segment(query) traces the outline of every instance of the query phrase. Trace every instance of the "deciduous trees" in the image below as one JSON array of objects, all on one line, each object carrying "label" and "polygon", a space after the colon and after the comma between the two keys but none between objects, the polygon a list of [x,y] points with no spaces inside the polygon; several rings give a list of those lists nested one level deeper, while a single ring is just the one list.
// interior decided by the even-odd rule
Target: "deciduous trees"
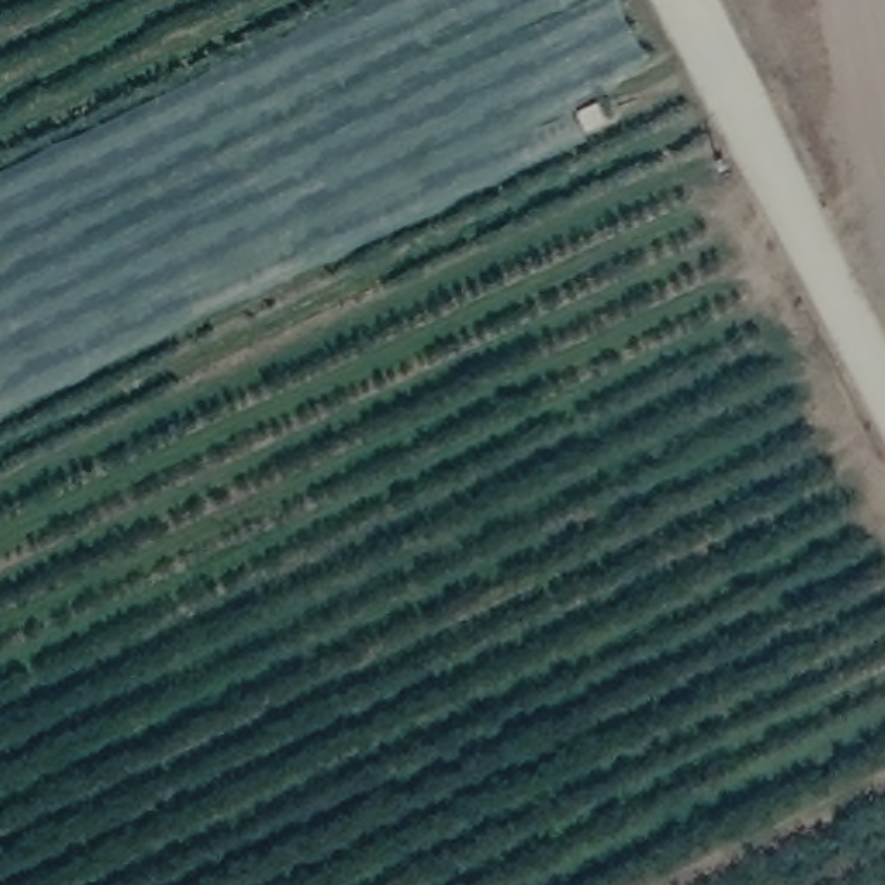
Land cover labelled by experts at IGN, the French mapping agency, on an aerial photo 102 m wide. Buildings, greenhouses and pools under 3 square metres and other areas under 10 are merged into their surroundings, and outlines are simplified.
[{"label": "deciduous trees", "polygon": [[0,398],[21,387],[28,377],[80,360],[100,346],[111,346],[128,332],[142,332],[159,318],[183,311],[239,280],[249,280],[270,266],[304,256],[318,242],[346,235],[373,218],[394,214],[429,197],[432,190],[453,183],[456,176],[487,169],[529,149],[536,138],[529,128],[536,121],[529,111],[536,104],[532,97],[515,97],[512,83],[529,80],[557,66],[560,59],[588,52],[633,28],[636,17],[622,14],[619,0],[0,0]]},{"label": "deciduous trees", "polygon": [[743,844],[743,857],[723,864],[702,885],[885,885],[885,788],[847,799],[844,805],[837,805],[830,823],[816,823],[795,833],[774,833],[767,837],[767,844]]},{"label": "deciduous trees", "polygon": [[684,864],[688,857],[712,850],[716,844],[736,840],[750,823],[764,826],[799,809],[802,799],[823,795],[837,774],[885,767],[885,550],[878,536],[871,536],[864,525],[837,525],[833,512],[857,505],[861,491],[840,484],[833,456],[823,453],[809,436],[812,425],[802,418],[785,429],[774,429],[767,418],[774,408],[788,408],[809,398],[805,387],[799,387],[802,363],[788,328],[771,318],[747,318],[719,328],[709,318],[712,308],[726,308],[740,297],[740,283],[726,283],[716,270],[719,249],[702,245],[698,232],[705,228],[705,218],[691,211],[691,201],[684,194],[691,187],[712,187],[716,162],[726,152],[726,149],[719,145],[709,159],[660,173],[660,156],[684,152],[688,145],[702,142],[712,128],[709,124],[684,128],[671,142],[657,138],[646,128],[681,111],[695,97],[695,93],[671,93],[653,107],[622,118],[619,124],[591,131],[577,145],[567,145],[532,166],[522,166],[512,176],[484,190],[474,190],[436,214],[377,235],[349,249],[346,256],[318,266],[322,277],[346,270],[360,290],[380,283],[387,287],[384,304],[373,304],[353,322],[332,325],[322,339],[301,339],[266,363],[245,363],[235,373],[201,387],[197,394],[173,373],[156,373],[142,387],[121,394],[114,380],[173,353],[183,342],[211,335],[211,322],[201,318],[197,325],[169,339],[159,339],[124,360],[114,360],[86,373],[83,380],[59,387],[0,418],[0,885],[671,885],[678,878],[678,864]]}]

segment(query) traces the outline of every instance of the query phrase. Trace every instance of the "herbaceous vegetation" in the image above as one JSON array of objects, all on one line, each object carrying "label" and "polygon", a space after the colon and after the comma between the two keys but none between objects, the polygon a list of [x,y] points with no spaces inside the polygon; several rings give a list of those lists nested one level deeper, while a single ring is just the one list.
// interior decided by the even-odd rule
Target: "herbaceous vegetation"
[{"label": "herbaceous vegetation", "polygon": [[802,277],[795,273],[792,256],[778,242],[774,225],[761,211],[736,159],[726,152],[716,162],[712,187],[691,187],[684,194],[691,201],[691,211],[705,218],[705,228],[698,232],[702,245],[719,249],[716,270],[726,283],[740,283],[740,297],[726,308],[712,308],[709,318],[719,328],[747,318],[771,318],[788,328],[802,363],[799,387],[805,387],[809,398],[788,408],[774,408],[767,418],[774,429],[785,429],[802,418],[812,425],[809,436],[823,453],[833,456],[840,484],[861,491],[857,505],[833,512],[837,525],[864,525],[871,536],[878,536],[885,550],[885,439],[871,422],[864,398],[850,380],[840,353],[833,349],[816,304],[802,287]]},{"label": "herbaceous vegetation", "polygon": [[684,152],[660,156],[660,173],[709,159],[719,145],[726,149],[726,138],[712,128],[702,142],[688,145]]},{"label": "herbaceous vegetation", "polygon": [[183,311],[159,318],[142,332],[128,332],[111,346],[100,346],[80,360],[28,377],[21,387],[0,398],[0,418],[59,387],[83,380],[86,373],[114,360],[124,360],[159,339],[169,339],[197,325],[201,318],[211,322],[211,335],[183,342],[173,353],[114,380],[121,394],[142,387],[156,373],[173,373],[197,394],[201,387],[235,373],[245,363],[266,363],[301,339],[322,339],[332,325],[353,322],[373,304],[384,304],[387,287],[380,283],[360,290],[346,270],[322,277],[318,266],[346,256],[349,249],[377,235],[436,214],[474,190],[484,190],[512,176],[522,166],[532,166],[567,145],[577,145],[591,131],[619,124],[622,118],[653,107],[671,93],[695,93],[691,76],[650,0],[619,0],[622,14],[636,17],[633,28],[588,52],[560,59],[557,66],[529,80],[512,83],[515,97],[532,97],[536,104],[529,111],[536,121],[529,128],[536,138],[529,149],[487,169],[456,176],[453,183],[432,190],[429,197],[394,214],[373,218],[346,235],[318,242],[304,256],[270,266],[249,280],[239,280]]},{"label": "herbaceous vegetation", "polygon": [[671,142],[684,128],[709,124],[705,104],[695,97],[681,111],[646,128],[657,138]]},{"label": "herbaceous vegetation", "polygon": [[750,823],[736,840],[716,844],[712,850],[688,857],[684,864],[678,864],[678,878],[671,885],[702,885],[723,864],[743,857],[743,844],[767,844],[767,837],[774,833],[795,833],[816,823],[830,823],[837,805],[844,805],[847,799],[885,788],[885,767],[837,774],[823,795],[802,799],[799,809],[764,826]]},{"label": "herbaceous vegetation", "polygon": [[823,121],[833,97],[833,69],[826,35],[819,24],[819,0],[723,0],[729,24],[747,59],[754,62],[764,93],[774,107],[774,118],[795,152],[795,162],[802,166],[823,207],[830,197],[840,194],[840,176],[830,152],[830,138],[823,138]]}]

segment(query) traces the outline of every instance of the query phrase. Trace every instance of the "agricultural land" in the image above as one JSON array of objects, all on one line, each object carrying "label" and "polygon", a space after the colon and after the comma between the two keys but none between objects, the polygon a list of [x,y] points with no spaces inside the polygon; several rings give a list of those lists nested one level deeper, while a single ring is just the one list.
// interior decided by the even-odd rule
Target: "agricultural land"
[{"label": "agricultural land", "polygon": [[830,197],[823,207],[837,235],[837,245],[847,259],[847,270],[885,335],[885,0],[819,0],[819,24],[826,35],[833,69],[833,97],[823,121],[823,138],[830,138],[830,152],[840,176],[840,194]]}]

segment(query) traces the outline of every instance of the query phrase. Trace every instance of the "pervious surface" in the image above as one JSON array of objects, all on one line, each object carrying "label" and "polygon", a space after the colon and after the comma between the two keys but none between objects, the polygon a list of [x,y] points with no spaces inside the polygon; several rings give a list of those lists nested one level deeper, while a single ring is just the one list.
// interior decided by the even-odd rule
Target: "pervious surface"
[{"label": "pervious surface", "polygon": [[795,273],[802,277],[802,287],[816,304],[833,349],[840,353],[850,380],[864,398],[871,422],[885,439],[885,335],[847,270],[847,259],[837,245],[837,235],[823,207],[802,166],[795,162],[795,152],[774,118],[774,107],[764,93],[754,62],[747,59],[729,24],[723,0],[650,0],[691,76],[695,93],[695,97],[705,104],[709,124],[712,128],[726,138],[726,149],[726,152],[736,159],[761,211],[774,225],[778,242],[792,256]]}]

